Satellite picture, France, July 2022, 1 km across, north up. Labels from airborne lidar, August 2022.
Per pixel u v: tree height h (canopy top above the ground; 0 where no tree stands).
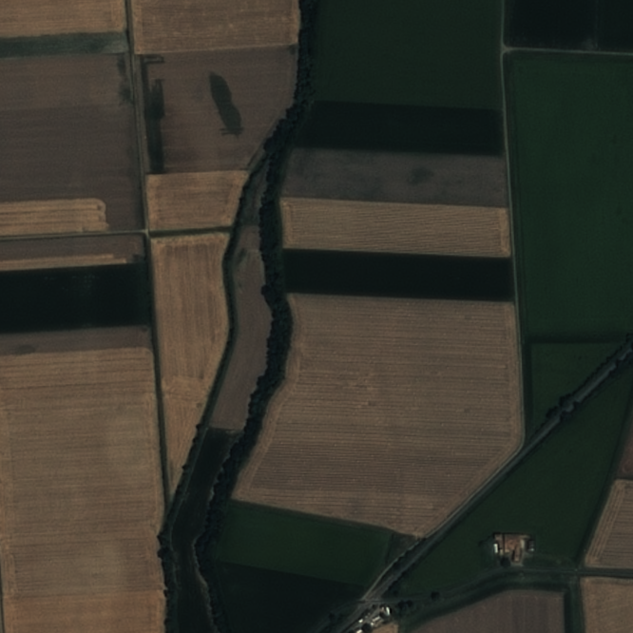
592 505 0
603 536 0
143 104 0
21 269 0
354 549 0
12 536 0
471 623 0
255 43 0
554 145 0
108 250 0
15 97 0
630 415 0
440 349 0
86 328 0
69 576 0
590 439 0
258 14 0
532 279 0
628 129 0
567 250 0
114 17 0
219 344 0
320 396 0
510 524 0
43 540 0
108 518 0
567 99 0
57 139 0
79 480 0
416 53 0
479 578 0
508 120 0
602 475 0
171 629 8
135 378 0
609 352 0
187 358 0
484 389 0
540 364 0
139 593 0
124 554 0
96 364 0
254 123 0
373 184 0
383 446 0
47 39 0
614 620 0
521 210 0
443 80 0
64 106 0
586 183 0
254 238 0
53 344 0
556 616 0
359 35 0
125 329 0
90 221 0
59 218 0
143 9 0
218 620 15
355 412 0
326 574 0
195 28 0
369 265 0
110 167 0
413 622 0
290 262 0
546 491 0
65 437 0
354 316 0
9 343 0
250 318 0
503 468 0
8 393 0
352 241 0
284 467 0
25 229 0
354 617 0
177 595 15
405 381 0
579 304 0
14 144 0
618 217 0
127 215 0
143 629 0
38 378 0
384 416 0
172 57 0
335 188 0
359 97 0
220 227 0
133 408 0
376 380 0
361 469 0
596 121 0
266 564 0
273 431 0
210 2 0
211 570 18
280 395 0
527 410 0
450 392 0
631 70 0
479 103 0
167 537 10
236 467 19
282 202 0
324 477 0
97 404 0
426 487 0
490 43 0
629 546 0
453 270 0
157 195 0
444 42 0
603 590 0
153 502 0
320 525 0
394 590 11
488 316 0
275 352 16
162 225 0
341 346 0
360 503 0
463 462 0
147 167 0
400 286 0
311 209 0
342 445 0
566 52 0
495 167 0
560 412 9
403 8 0
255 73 0
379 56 0
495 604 0
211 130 0
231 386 0
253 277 0
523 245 0
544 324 0
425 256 0
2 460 0
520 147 0
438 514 0
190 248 0
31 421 0
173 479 0
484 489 0
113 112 0
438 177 0
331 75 0
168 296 0
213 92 0
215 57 0
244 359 0
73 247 0
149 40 0
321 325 0
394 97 0
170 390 0
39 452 0
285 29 0
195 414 0
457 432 0
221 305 0
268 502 0
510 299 0
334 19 0
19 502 0
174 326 0
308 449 0
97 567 0
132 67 0
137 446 0
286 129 17
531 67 0
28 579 0
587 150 0
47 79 0
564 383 0
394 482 0
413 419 0
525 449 0
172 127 0
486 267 0
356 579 0
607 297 0
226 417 0
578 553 0
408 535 0
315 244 0
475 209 0
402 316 0
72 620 0
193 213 0
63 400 0
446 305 0
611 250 0
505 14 0
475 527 0
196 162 0
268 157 7
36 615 0
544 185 0
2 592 0
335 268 0
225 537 0
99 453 0
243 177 0
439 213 0
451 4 0
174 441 0
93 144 0
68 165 0
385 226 0
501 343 0
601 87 0
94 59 0
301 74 13
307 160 0
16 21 0
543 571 0
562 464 0
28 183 0
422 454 0
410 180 0
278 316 19
